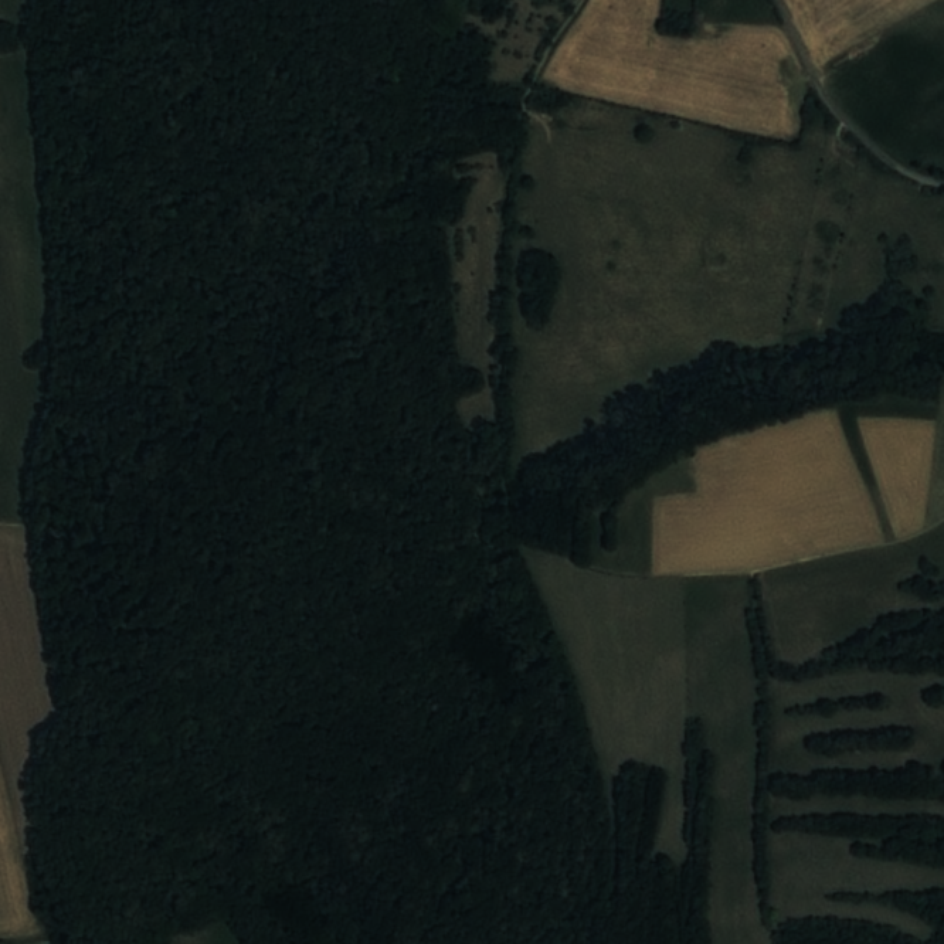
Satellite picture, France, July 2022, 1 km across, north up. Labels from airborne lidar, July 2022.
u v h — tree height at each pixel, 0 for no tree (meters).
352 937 28
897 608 0
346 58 22
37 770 24
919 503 0
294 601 16
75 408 21
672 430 25
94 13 22
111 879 21
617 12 0
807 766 0
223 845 22
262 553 16
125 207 20
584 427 0
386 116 23
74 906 20
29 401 0
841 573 0
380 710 22
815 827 13
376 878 26
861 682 0
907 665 16
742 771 0
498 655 14
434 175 25
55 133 23
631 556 0
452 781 22
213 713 17
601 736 0
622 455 34
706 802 13
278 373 20
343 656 19
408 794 23
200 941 0
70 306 21
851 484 0
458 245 7
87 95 22
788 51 0
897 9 0
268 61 21
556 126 0
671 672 0
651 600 0
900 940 14
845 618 0
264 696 16
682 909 14
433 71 21
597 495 24
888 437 0
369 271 25
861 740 19
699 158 0
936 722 0
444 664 19
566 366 0
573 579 0
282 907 10
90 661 26
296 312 21
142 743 23
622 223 0
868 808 0
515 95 6
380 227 18
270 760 20
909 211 0
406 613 19
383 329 20
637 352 0
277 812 25
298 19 21
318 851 26
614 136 0
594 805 17
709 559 0
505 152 16
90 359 23
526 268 17
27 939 0
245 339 20
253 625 17
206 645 18
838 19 0
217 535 21
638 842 9
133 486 22
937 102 0
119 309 10
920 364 15
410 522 16
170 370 19
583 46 0
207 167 23
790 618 0
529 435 0
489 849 23
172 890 22
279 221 18
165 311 23
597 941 25
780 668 12
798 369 24
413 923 26
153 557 22
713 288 0
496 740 24
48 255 16
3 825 0
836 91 0
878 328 27
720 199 0
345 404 20
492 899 23
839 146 0
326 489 22
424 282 26
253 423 23
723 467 0
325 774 21
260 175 21
